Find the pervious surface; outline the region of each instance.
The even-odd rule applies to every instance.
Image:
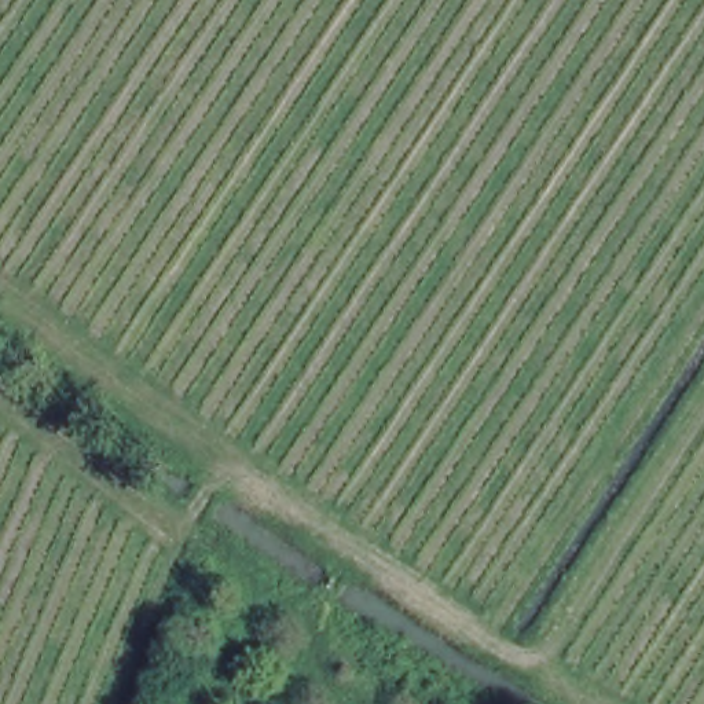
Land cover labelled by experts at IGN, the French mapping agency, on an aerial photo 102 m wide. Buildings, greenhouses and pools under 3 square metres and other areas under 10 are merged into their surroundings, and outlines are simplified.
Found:
[[[534,668],[542,660],[531,646],[517,646],[498,635],[484,630],[470,611],[457,605],[454,600],[446,600],[432,583],[415,580],[404,564],[393,561],[377,545],[369,545],[347,534],[333,514],[322,514],[316,506],[300,503],[289,487],[281,487],[272,479],[259,476],[245,462],[234,468],[234,481],[228,484],[239,495],[234,506],[256,520],[259,512],[270,512],[286,523],[308,528],[316,536],[325,536],[330,550],[349,558],[358,569],[369,572],[377,586],[393,594],[396,602],[404,602],[404,608],[435,622],[443,633],[454,638],[454,644],[465,641],[495,655],[509,666]]]

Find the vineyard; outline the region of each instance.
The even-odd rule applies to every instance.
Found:
[[[523,594],[528,591],[528,586],[539,578],[539,569],[550,561],[556,545],[569,545],[578,528],[591,514],[591,509],[597,506],[605,484],[627,459],[633,443],[641,437],[652,415],[657,413],[660,402],[679,380],[696,347],[704,341],[704,0],[0,0],[0,261],[3,270],[14,275],[14,283],[19,289],[30,289],[33,283],[41,286],[41,292],[58,300],[58,305],[63,305],[66,314],[77,314],[80,319],[85,319],[94,336],[105,336],[105,330],[127,325],[129,330],[116,344],[116,352],[127,352],[132,347],[140,363],[149,366],[160,382],[171,385],[176,393],[184,396],[182,404],[193,418],[201,415],[201,407],[206,413],[234,415],[226,429],[237,435],[237,448],[242,451],[245,462],[259,476],[272,479],[281,487],[289,487],[300,503],[316,506],[322,514],[333,514],[347,534],[369,545],[377,545],[393,561],[404,564],[415,580],[432,583],[446,600],[454,600],[457,605],[470,611],[484,630],[498,635],[503,622],[512,616]]]
[[[91,473],[88,465],[74,470],[69,462],[52,459],[47,468],[39,465],[39,437],[47,429],[25,418],[25,413],[17,404],[0,399],[0,704],[132,704],[138,693],[138,674],[149,663],[149,644],[160,635],[160,627],[168,616],[157,602],[179,558],[179,545],[157,547],[149,542],[151,536],[165,539],[160,523],[149,531],[132,528],[129,539],[118,534],[116,528],[124,520],[124,512],[113,501],[113,492],[121,484]]]
[[[652,503],[649,514],[627,539],[611,575],[605,578],[594,600],[586,605],[578,624],[569,630],[567,641],[556,655],[558,668],[567,679],[572,679],[583,693],[602,696],[613,704],[704,704],[704,426],[688,446],[682,462],[663,487],[660,498]]]

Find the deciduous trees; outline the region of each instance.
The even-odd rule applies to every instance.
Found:
[[[261,622],[259,649],[245,649],[245,655],[234,660],[237,674],[228,685],[223,704],[264,704],[270,696],[286,688],[289,677],[294,677],[297,671],[297,652],[308,646],[305,627],[294,627],[294,622],[286,613],[281,613],[278,622]]]
[[[3,314],[8,305],[8,294],[0,289],[0,380],[14,396],[30,396],[33,402],[41,402],[47,407],[55,385],[61,382],[61,374],[44,358],[50,347],[36,338],[36,333],[19,333],[19,325]]]
[[[160,627],[160,635],[149,644],[149,663],[138,674],[138,693],[132,704],[190,704],[190,696],[209,682],[220,649],[228,644],[220,627],[237,613],[245,613],[248,608],[220,580],[212,589],[209,608],[201,608],[190,597],[190,591],[182,591],[173,613],[168,616]]]
[[[173,473],[168,470],[168,465],[146,459],[146,451],[135,440],[135,432],[121,418],[107,415],[99,399],[77,399],[77,410],[69,415],[63,432],[69,437],[77,437],[83,457],[102,454],[113,462],[127,465],[132,481],[140,481],[146,473],[154,473],[165,484],[171,481]]]

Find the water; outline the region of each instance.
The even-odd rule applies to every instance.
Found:
[[[641,437],[633,443],[627,459],[605,484],[597,506],[591,509],[591,514],[578,528],[569,545],[517,624],[517,630],[523,633],[534,627],[542,608],[558,589],[561,578],[578,561],[589,536],[597,531],[613,501],[622,495],[633,473],[638,470],[641,459],[652,448],[655,437],[671,418],[674,407],[679,404],[679,399],[704,366],[704,341],[696,347],[679,380],[660,402],[657,413],[652,415]]]
[[[319,569],[292,545],[275,539],[272,534],[264,534],[256,520],[234,506],[220,506],[217,520],[226,528],[237,531],[248,545],[259,547],[272,561],[286,567],[300,580],[322,586],[327,580],[325,569]]]
[[[355,611],[360,619],[380,622],[382,627],[399,635],[407,635],[415,646],[421,646],[424,652],[429,652],[432,657],[437,657],[440,663],[473,679],[481,688],[509,685],[509,679],[459,655],[446,638],[432,635],[410,616],[382,602],[377,594],[366,589],[347,589],[344,605]]]

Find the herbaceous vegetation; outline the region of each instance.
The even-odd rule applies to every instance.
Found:
[[[627,539],[649,514],[652,503],[660,498],[663,487],[682,462],[688,446],[704,426],[704,366],[679,399],[679,404],[674,407],[671,418],[655,437],[652,448],[641,459],[638,470],[633,473],[622,495],[613,501],[597,531],[589,536],[578,561],[561,578],[558,589],[542,608],[534,627],[523,633],[517,630],[517,624],[569,545],[556,545],[550,561],[539,569],[539,578],[528,586],[528,591],[523,594],[512,616],[503,622],[498,635],[517,646],[531,646],[542,660],[534,668],[509,666],[495,655],[465,641],[454,644],[454,638],[443,633],[435,622],[404,608],[404,602],[396,602],[393,594],[377,586],[369,572],[358,569],[349,558],[330,550],[325,536],[316,536],[308,528],[286,523],[270,512],[259,512],[256,520],[264,534],[272,534],[275,539],[292,545],[319,569],[325,569],[327,580],[322,586],[300,580],[286,567],[272,561],[259,547],[248,545],[237,531],[226,528],[217,520],[220,506],[234,506],[239,495],[228,484],[234,481],[234,468],[245,462],[242,451],[237,448],[237,435],[226,429],[234,415],[206,413],[201,407],[201,415],[193,418],[182,404],[184,396],[176,393],[171,385],[160,382],[149,366],[140,363],[132,347],[127,352],[116,352],[116,344],[129,330],[127,325],[105,330],[105,336],[94,336],[85,319],[80,319],[77,314],[66,314],[63,305],[58,305],[58,300],[41,292],[41,286],[33,283],[30,289],[19,289],[14,283],[14,275],[3,270],[0,261],[0,289],[8,294],[8,305],[3,314],[19,325],[19,333],[36,333],[36,338],[50,347],[44,358],[61,374],[61,382],[55,385],[47,407],[41,402],[33,402],[30,396],[14,396],[0,380],[0,399],[17,404],[25,413],[25,418],[47,429],[39,437],[39,465],[47,468],[52,459],[69,462],[74,470],[88,465],[91,473],[121,484],[113,492],[113,501],[124,512],[124,520],[116,528],[118,534],[129,539],[132,528],[149,531],[160,523],[165,539],[151,536],[149,542],[157,547],[179,545],[179,558],[157,602],[168,616],[173,613],[182,591],[190,591],[190,597],[201,608],[209,608],[212,589],[220,580],[248,608],[245,613],[237,613],[220,627],[228,644],[220,649],[209,682],[190,696],[190,704],[223,704],[228,685],[237,674],[234,660],[245,655],[245,649],[259,649],[261,622],[278,622],[281,613],[286,613],[294,622],[294,627],[305,627],[308,646],[297,652],[297,671],[294,677],[289,677],[286,688],[270,696],[264,704],[613,704],[602,696],[583,693],[572,679],[567,679],[558,668],[556,655],[567,641],[569,630],[578,624],[586,605],[594,600],[605,578],[611,575]],[[69,437],[63,432],[69,415],[77,410],[77,399],[99,399],[107,415],[121,418],[135,432],[135,440],[146,451],[146,459],[168,465],[168,470],[173,473],[171,481],[165,484],[154,473],[146,473],[140,481],[132,481],[127,465],[113,462],[102,454],[83,457],[77,437]],[[360,619],[355,611],[344,605],[347,589],[366,589],[377,594],[382,602],[410,616],[432,635],[446,638],[459,655],[509,679],[509,685],[481,688],[473,679],[440,663],[437,657],[432,657],[429,652],[424,652],[421,646],[415,646],[407,635],[399,635],[382,627],[380,622]]]

